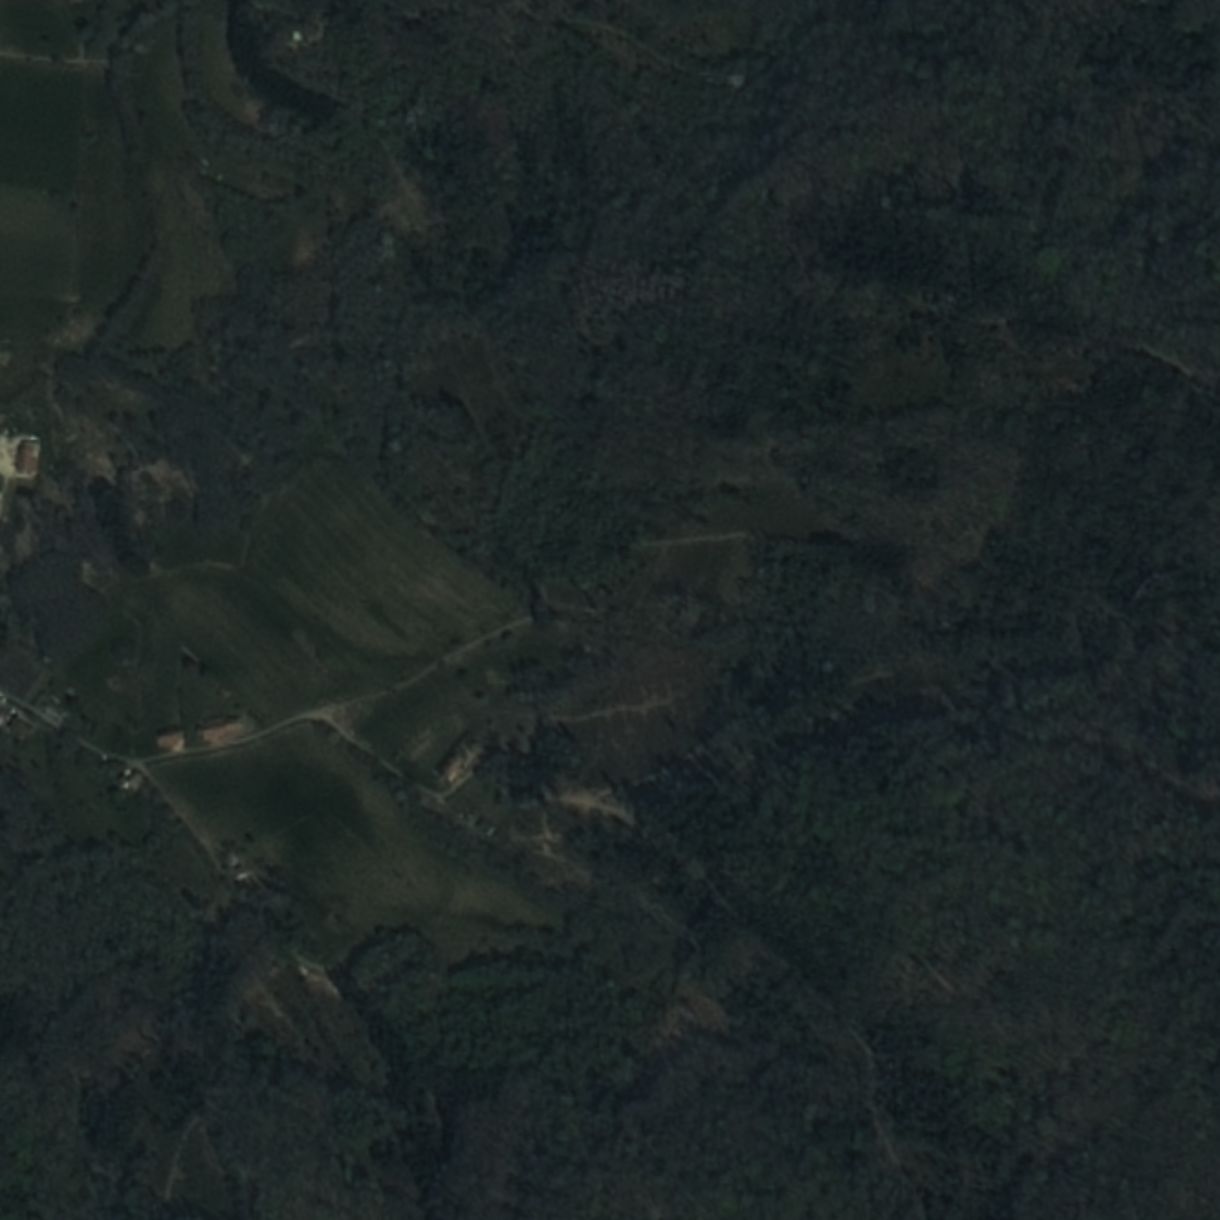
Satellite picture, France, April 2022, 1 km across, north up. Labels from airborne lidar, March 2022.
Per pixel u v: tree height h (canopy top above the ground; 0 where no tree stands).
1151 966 29
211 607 0
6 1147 20
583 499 14
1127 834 32
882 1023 25
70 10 0
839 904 17
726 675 9
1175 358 22
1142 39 24
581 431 28
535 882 16
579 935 18
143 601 0
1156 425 20
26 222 0
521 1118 26
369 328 17
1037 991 25
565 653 0
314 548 0
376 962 19
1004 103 25
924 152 27
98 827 0
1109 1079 37
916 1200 25
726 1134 32
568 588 0
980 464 31
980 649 27
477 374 0
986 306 19
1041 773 36
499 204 23
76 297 0
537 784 18
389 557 0
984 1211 6
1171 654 34
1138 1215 34
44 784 0
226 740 0
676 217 22
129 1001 22
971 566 13
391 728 0
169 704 0
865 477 26
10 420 0
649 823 34
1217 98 37
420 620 0
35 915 15
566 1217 36
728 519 0
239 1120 21
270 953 30
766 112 14
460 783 0
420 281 7
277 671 0
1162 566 26
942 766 38
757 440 26
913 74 28
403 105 15
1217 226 27
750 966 30
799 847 21
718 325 23
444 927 0
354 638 0
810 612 22
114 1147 25
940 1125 28
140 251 0
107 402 0
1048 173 30
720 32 0
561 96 13
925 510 29
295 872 0
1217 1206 27
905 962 29
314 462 0
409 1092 18
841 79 28
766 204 29
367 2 21
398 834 0
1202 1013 28
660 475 24
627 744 0
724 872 19
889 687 0
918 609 33
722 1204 31
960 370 16
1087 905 22
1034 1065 24
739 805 36
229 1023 32
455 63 21
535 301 29
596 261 28
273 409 14
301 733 0
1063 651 28
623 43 8
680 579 0
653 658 0
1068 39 24
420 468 24
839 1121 29
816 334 25
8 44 0
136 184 0
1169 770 39
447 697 0
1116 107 27
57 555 16
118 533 24
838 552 30
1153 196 6
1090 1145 30
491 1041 17
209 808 0
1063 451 22
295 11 8
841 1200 32
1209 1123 27
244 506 20
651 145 25
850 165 34
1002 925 21
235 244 12
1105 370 12
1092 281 34
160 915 9
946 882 27
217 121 18
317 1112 30
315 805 0
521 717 0
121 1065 27
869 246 18
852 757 30
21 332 0
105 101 0
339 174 10
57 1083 22
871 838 24
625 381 24
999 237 23
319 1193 30
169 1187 0
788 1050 7
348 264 14
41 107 0
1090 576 27
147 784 7
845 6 23
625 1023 17
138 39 16
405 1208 24
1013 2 16
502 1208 34
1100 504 24
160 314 0
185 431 18
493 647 10
